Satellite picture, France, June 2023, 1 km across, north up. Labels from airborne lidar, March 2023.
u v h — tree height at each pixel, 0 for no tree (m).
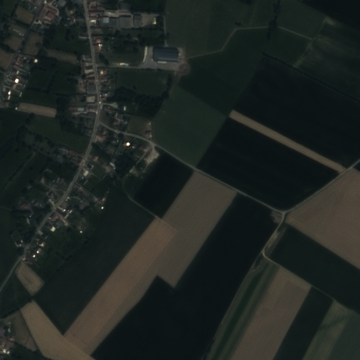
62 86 0
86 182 0
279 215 0
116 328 0
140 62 0
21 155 0
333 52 0
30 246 0
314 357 0
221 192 0
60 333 0
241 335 0
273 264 0
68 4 20
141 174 0
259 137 0
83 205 0
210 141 0
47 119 0
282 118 0
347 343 0
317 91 0
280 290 0
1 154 24
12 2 0
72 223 0
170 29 0
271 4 0
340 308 0
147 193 0
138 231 0
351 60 0
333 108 0
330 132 0
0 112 10
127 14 0
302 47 0
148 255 0
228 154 0
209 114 0
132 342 0
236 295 0
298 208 0
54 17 0
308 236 0
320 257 0
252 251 0
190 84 0
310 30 0
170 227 0
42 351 0
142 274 0
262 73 0
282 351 0
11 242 0
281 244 0
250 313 0
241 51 0
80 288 0
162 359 0
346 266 0
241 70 0
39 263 0
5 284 0
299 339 0
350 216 0
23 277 0
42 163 0
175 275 0
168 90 8
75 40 0
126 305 0
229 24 0
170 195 0
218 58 0
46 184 0
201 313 0
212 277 0
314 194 0
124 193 0
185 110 0
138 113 0
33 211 21
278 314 0
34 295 0
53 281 0
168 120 0
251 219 0
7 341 0
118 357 0
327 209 0
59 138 0
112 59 0
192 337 0
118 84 0
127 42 13
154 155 0
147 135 0
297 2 0
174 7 0
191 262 0
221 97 0
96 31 0
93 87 0
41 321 0
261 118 0
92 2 0
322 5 0
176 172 0
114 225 0
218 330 0
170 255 0
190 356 0
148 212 0
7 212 0
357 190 0
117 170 16
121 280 0
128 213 0
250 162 0
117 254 0
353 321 0
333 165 0
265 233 0
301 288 0
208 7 0
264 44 0
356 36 0
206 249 0
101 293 0
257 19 0
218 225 0
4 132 0
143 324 0
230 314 0
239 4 0
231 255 0
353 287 0
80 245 0
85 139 0
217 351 0
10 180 27
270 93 0
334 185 0
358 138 0
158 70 8
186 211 0
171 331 0
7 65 0
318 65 0
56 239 0
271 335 0
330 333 0
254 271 0
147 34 0
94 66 0
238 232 0
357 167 0
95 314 0
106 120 0
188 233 0
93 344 0
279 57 0
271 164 0
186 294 0
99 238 0
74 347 0
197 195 0
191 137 0
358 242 0
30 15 0
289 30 0
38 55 10
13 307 0
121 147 0
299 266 0
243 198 0
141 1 0
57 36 0
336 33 0
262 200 0
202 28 0
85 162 0
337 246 0
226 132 0
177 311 0
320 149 0
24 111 0
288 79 0
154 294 0
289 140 0
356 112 0
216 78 0
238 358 0
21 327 0
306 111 0
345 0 0
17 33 0
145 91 0
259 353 0
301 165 0
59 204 0
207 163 0
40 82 0
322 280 0
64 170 0
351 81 0
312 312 0
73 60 0
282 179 0
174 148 0
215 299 0
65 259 8
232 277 0
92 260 0
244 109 0
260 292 0
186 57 0
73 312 0
